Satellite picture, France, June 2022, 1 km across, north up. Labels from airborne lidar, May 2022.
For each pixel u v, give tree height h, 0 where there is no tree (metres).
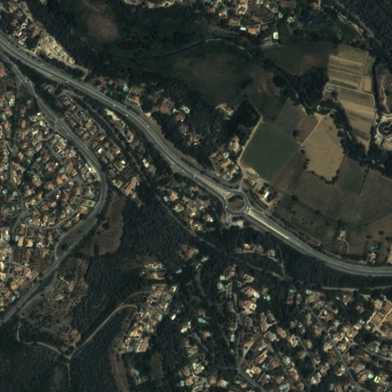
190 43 9
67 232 11
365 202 0
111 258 13
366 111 0
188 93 7
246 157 0
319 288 20
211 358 19
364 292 12
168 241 14
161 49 7
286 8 10
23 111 0
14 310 0
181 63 0
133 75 15
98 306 16
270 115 0
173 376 10
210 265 9
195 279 8
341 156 0
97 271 20
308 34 7
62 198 8
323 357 8
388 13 7
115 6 11
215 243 9
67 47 19
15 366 9
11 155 7
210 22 7
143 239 18
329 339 8
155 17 15
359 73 0
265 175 0
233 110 10
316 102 7
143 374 13
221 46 8
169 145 0
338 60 0
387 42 8
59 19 10
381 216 0
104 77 6
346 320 8
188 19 11
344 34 0
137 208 7
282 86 30
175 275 13
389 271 0
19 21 7
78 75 12
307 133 0
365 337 6
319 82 18
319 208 0
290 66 0
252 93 0
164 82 8
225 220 0
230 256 11
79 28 7
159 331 12
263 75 0
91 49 12
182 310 14
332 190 0
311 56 0
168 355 20
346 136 21
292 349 6
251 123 22
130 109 8
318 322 6
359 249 0
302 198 0
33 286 0
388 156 6
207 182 0
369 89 0
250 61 15
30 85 0
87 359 7
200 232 7
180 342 23
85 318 13
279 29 13
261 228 0
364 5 9
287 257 19
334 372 18
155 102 9
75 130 6
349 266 0
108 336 9
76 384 7
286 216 0
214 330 11
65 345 9
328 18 9
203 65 0
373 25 12
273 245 21
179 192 8
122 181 6
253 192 12
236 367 9
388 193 0
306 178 0
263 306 12
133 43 19
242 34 11
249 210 0
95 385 6
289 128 0
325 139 0
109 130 15
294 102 15
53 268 0
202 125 20
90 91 0
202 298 13
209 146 15
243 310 7
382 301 14
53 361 10
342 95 0
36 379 24
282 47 0
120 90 12
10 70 6
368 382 6
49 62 18
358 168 0
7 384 6
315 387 19
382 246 8
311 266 14
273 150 0
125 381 0
